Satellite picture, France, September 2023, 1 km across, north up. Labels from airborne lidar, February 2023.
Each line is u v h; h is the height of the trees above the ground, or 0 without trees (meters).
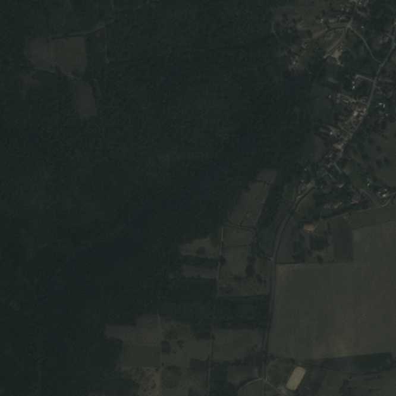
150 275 20
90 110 0
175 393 0
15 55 20
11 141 14
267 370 0
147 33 13
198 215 16
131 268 22
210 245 0
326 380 0
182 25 19
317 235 0
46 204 15
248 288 0
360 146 13
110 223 23
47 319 20
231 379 0
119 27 10
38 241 17
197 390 0
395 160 0
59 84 7
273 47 15
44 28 14
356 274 0
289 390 0
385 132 0
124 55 18
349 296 0
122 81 8
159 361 0
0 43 23
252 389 0
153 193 22
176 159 8
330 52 0
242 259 0
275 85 25
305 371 0
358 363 0
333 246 0
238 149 24
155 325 0
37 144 19
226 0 14
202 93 16
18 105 13
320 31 6
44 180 15
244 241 0
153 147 11
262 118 9
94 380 14
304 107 12
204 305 12
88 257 24
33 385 34
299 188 0
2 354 14
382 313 0
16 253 22
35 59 0
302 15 0
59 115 12
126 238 24
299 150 19
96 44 0
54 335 18
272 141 18
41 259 14
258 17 8
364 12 6
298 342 0
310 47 0
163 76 16
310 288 0
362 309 0
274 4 9
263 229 8
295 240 0
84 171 14
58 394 17
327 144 9
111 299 17
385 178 0
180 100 15
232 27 15
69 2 0
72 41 0
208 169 20
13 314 12
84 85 0
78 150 15
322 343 0
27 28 18
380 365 0
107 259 22
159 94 19
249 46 21
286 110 15
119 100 10
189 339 0
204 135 12
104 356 12
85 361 14
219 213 19
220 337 0
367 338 0
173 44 14
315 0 0
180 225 18
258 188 0
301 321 0
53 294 24
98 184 12
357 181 0
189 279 6
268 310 6
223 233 0
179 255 11
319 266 0
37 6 15
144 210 26
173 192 27
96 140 17
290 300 0
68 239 25
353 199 0
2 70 20
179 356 0
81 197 14
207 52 11
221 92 17
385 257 0
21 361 25
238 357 0
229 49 23
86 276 21
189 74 14
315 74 17
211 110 15
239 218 0
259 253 12
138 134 16
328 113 0
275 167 13
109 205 14
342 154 0
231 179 23
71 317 22
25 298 15
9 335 18
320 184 9
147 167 10
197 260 9
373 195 0
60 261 27
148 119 16
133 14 17
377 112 11
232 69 15
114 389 10
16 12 18
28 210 14
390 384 0
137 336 0
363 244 0
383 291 0
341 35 0
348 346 0
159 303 13
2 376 16
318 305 0
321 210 0
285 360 0
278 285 0
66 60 0
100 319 16
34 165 18
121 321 12
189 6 14
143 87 19
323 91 0
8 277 16
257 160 19
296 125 18
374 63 0
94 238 30
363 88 12
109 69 15
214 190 19
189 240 16
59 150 18
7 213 15
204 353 0
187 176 22
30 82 0
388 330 0
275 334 0
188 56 16
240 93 19
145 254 21
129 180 10
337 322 0
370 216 0
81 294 20
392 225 0
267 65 16
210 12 17
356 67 0
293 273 0
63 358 14
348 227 0
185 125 10
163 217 22
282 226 0
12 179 13
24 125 18
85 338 12
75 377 16
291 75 8
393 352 0
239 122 23
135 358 0
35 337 31
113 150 12
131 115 13
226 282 0
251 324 15
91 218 15
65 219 15
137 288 20
